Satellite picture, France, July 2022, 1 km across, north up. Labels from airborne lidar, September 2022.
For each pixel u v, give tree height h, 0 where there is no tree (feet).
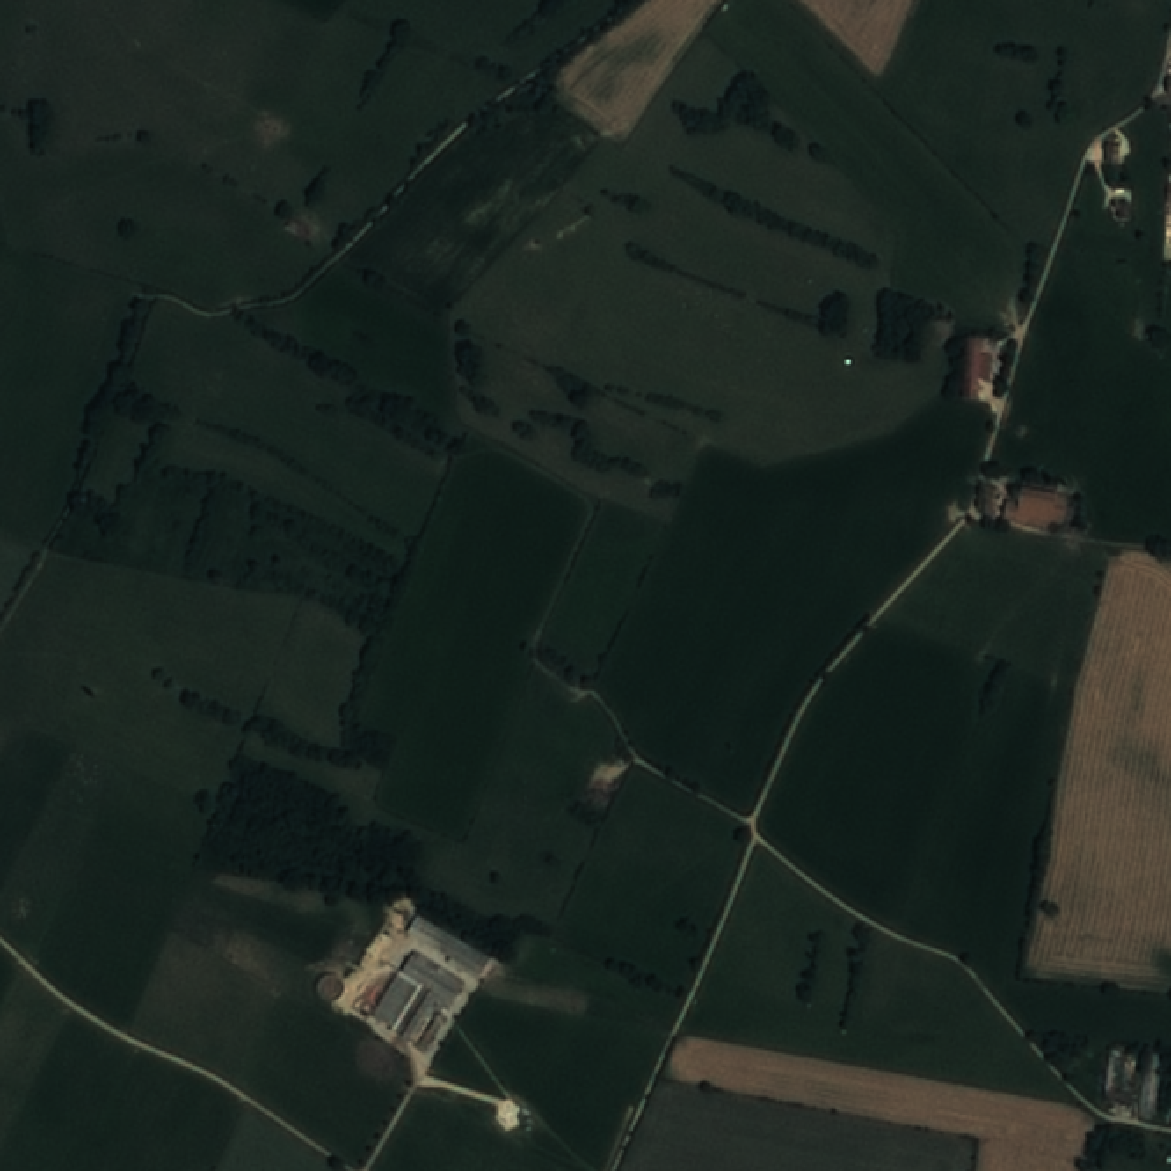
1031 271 39
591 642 0
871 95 0
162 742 0
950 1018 0
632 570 0
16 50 0
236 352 0
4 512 0
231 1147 0
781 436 0
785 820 0
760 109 56
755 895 0
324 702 0
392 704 0
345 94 0
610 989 0
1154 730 0
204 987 0
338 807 57
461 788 0
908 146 0
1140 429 0
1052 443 0
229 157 0
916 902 0
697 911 0
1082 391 0
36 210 0
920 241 0
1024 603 0
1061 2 0
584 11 0
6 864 0
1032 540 0
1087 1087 0
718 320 0
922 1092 0
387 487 0
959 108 0
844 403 0
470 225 0
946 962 0
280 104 0
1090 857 0
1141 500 0
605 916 0
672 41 0
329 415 22
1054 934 0
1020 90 0
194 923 0
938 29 0
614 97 0
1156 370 0
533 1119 0
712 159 0
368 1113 0
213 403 0
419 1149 0
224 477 25
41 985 0
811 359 0
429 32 0
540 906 0
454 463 21
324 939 0
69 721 0
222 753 0
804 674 0
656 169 0
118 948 0
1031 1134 0
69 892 0
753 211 49
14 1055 0
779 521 0
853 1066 0
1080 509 34
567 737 0
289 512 22
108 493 0
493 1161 0
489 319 0
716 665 0
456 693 0
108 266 0
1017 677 0
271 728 35
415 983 0
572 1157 0
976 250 0
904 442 0
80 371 0
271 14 0
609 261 0
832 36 0
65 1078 0
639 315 0
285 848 28
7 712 0
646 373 0
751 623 0
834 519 0
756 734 0
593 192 0
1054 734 0
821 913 0
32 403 0
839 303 57
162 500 0
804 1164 0
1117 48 0
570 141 0
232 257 0
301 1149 0
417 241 0
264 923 0
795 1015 0
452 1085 0
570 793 0
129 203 0
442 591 0
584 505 0
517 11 0
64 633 0
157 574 0
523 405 0
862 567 0
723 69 0
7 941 0
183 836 0
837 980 0
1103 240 0
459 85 0
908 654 0
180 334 0
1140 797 0
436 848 0
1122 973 0
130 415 51
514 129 0
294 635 0
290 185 0
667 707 0
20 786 0
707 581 0
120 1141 0
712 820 0
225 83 0
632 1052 0
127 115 0
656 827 0
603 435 0
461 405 0
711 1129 0
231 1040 0
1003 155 0
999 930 0
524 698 0
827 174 0
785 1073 0
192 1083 0
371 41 0
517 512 0
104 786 0
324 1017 0
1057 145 0
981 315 0
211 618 0
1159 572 0
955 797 0
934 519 0
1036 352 0
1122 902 0
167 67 0
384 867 45
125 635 0
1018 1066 0
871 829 0
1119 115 0
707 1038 0
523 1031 0
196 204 0
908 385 0
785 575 0
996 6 0
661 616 0
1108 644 0
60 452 0
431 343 0
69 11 0
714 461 0
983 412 0
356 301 0
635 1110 0
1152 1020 0
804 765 0
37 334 0
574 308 0
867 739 0
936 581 0
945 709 0
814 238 49
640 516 0
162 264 0
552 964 0
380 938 0
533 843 0
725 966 0
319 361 59
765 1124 0
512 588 0
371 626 45
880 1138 0
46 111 56
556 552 0
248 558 0
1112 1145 39
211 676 0
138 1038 0
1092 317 0
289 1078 0
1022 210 0
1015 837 0
